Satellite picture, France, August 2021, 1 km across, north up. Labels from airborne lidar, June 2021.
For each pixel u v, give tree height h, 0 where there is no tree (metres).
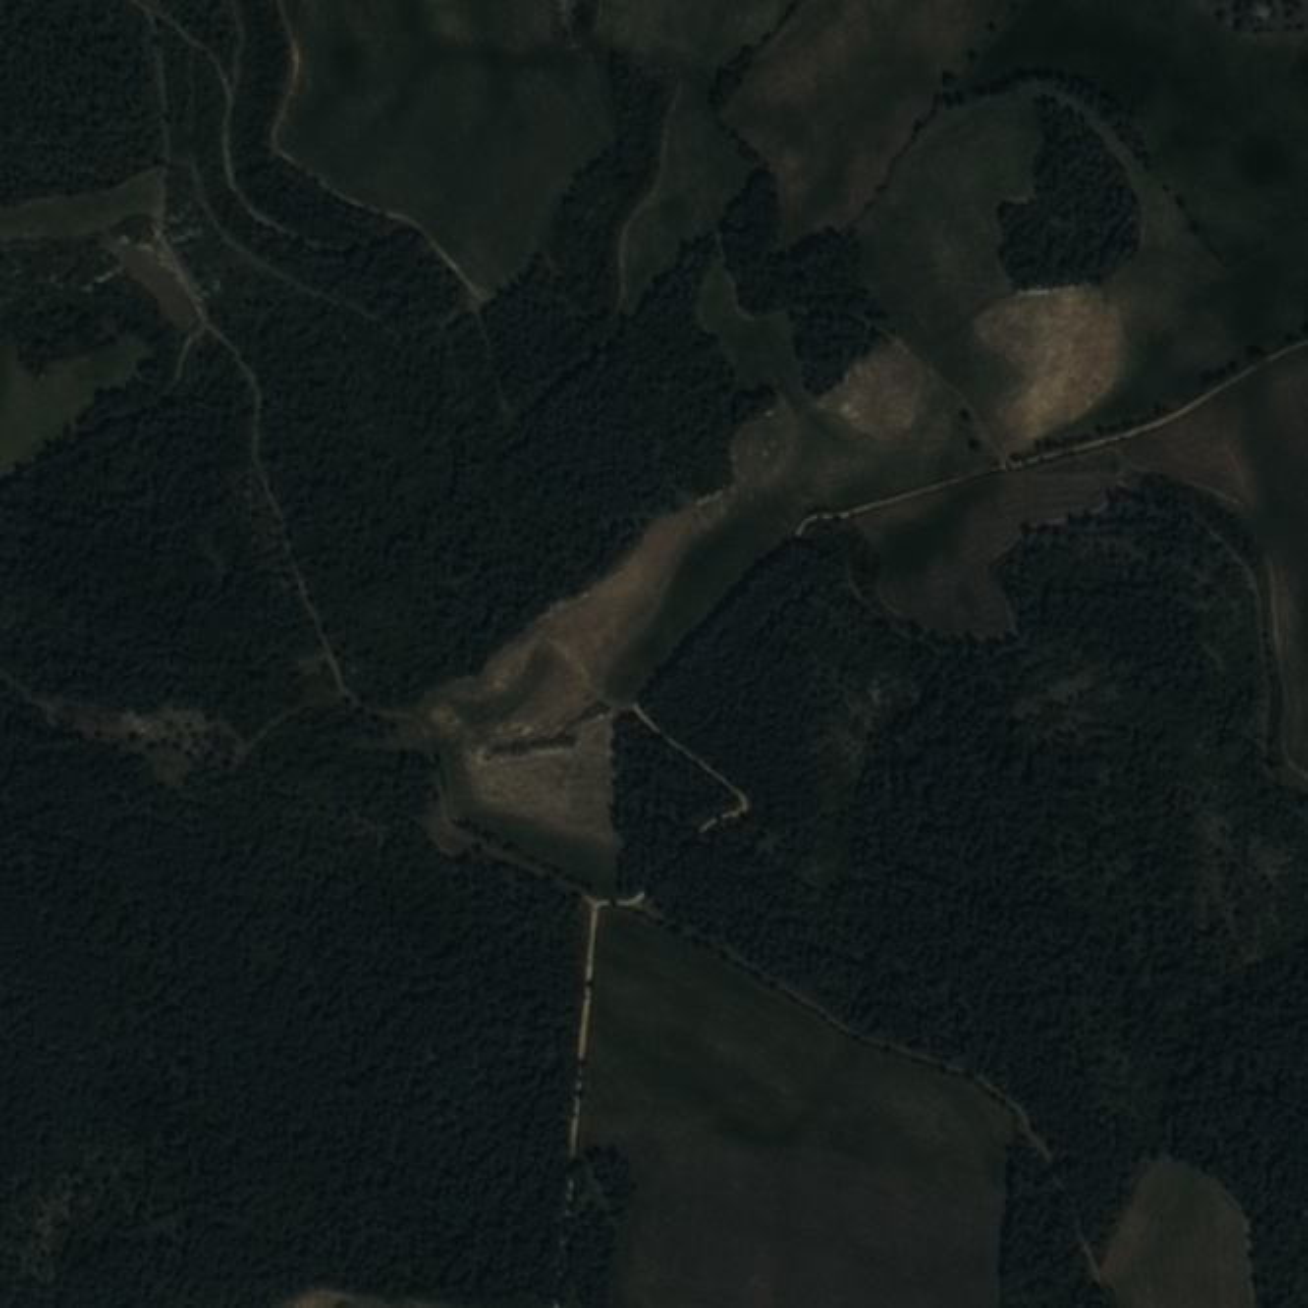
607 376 12
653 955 0
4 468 0
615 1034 0
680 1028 0
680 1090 0
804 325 9
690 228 0
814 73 0
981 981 12
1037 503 0
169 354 6
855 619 8
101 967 12
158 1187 9
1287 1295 8
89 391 0
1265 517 0
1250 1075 9
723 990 0
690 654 13
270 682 10
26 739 12
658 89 7
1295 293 0
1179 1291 0
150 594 8
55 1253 7
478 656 9
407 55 0
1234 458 0
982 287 0
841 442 0
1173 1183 0
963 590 0
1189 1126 14
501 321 9
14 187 8
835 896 9
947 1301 0
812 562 15
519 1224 17
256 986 12
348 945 12
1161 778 8
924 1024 12
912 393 0
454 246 0
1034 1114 7
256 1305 14
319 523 7
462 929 12
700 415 7
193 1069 14
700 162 0
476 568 13
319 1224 8
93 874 9
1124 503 8
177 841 13
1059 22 0
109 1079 11
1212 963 11
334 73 0
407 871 9
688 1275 0
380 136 0
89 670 10
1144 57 0
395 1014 12
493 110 0
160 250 0
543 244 0
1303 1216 9
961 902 14
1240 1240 0
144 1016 12
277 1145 11
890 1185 0
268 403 6
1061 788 12
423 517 9
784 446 0
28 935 12
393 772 10
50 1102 12
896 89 0
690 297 11
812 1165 0
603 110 0
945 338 0
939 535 0
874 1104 0
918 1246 0
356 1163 11
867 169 0
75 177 6
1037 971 6
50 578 10
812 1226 0
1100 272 10
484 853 9
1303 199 0
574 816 0
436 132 0
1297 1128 14
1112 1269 0
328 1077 14
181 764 0
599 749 0
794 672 11
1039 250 11
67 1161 6
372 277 11
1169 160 0
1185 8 0
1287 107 0
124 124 7
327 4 0
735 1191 0
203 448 6
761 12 0
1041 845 12
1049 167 11
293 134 0
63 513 8
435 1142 8
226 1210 11
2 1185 11
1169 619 11
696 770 10
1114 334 0
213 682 8
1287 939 7
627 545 12
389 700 11
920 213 0
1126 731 7
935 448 0
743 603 13
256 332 6
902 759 10
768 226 12
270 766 8
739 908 9
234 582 9
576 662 0
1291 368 0
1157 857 7
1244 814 7
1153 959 6
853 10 0
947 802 21
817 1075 0
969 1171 0
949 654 6
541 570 10
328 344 7
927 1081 0
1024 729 7
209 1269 13
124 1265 11
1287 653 0
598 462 14
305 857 11
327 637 8
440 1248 10
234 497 10
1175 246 0
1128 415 0
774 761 14
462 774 0
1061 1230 15
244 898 11
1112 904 8
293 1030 11
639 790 9
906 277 0
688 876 12
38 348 10
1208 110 0
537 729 0
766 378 0
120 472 11
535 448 14
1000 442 0
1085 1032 9
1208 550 12
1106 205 7
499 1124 11
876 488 0
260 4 11
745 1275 0
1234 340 0
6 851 6
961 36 0
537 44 0
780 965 13
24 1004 12
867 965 7
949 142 0
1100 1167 15
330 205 9
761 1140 0
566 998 12
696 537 0
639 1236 0
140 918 12
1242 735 11
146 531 7
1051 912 16
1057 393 0
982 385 0
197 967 14
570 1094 11
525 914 12
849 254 15
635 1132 0
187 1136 8
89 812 11
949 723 16
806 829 10
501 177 0
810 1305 0
